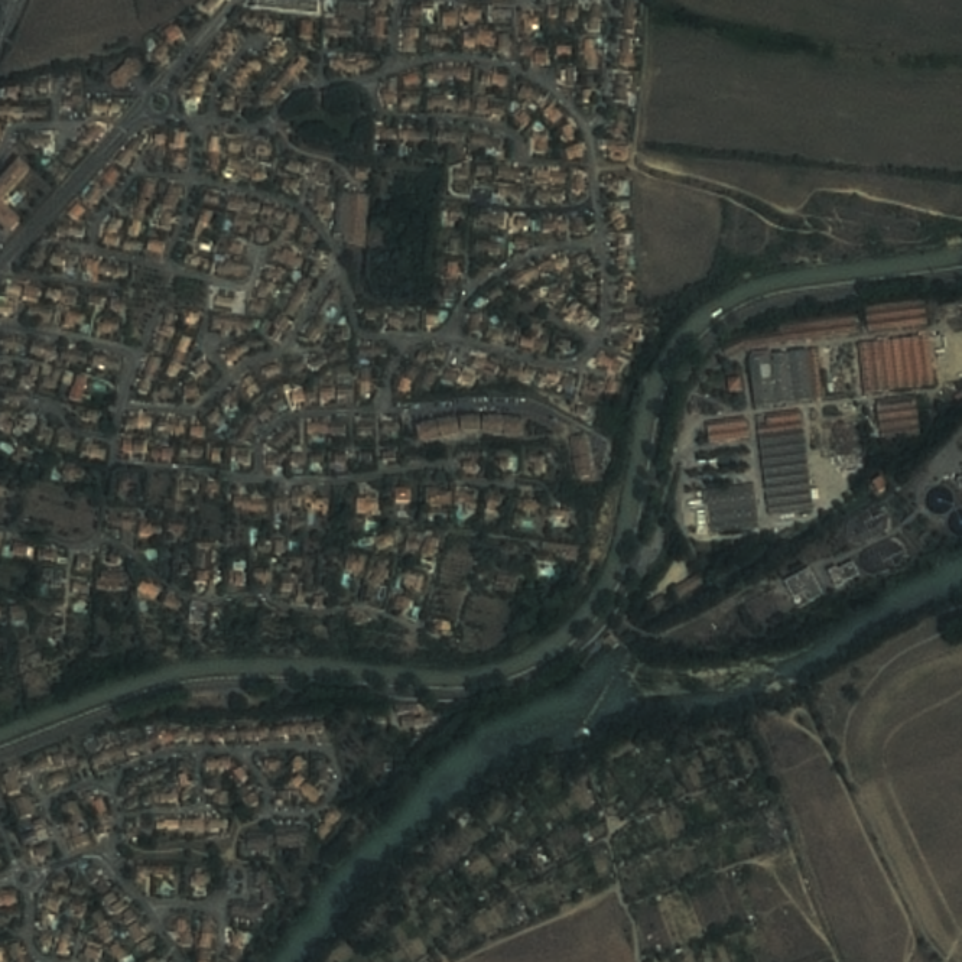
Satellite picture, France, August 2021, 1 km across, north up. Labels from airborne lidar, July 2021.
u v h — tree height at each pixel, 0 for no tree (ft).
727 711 45
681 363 67
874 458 45
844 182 0
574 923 0
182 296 22
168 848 0
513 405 0
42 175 26
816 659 0
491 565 57
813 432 0
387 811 66
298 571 33
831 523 73
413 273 31
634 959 0
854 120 0
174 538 23
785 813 35
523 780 55
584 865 0
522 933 0
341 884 0
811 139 0
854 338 0
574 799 0
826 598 30
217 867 37
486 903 27
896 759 0
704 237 0
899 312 0
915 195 0
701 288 33
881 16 0
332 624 48
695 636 0
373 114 22
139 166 0
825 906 0
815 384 0
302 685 59
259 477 0
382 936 19
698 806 0
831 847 0
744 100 0
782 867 0
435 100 0
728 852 0
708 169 0
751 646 61
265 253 0
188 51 0
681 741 63
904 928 0
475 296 24
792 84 0
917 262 0
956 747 0
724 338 72
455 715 48
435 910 0
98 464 39
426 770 30
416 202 26
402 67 0
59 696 52
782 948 0
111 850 0
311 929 0
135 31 0
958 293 37
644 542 52
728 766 19
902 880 0
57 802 29
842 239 0
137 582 44
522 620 56
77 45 0
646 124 0
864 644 51
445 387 19
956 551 38
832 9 0
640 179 0
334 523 28
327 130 38
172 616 20
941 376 0
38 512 0
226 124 0
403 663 31
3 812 25
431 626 24
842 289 0
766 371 0
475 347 0
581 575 41
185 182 0
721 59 0
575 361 0
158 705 74
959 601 50
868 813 0
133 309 23
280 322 0
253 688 78
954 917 0
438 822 36
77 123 0
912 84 0
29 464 41
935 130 0
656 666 88
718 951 0
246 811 40
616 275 33
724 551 19
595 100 38
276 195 23
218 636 20
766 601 0
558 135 28
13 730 0
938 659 0
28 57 0
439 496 0
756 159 25
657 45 0
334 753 0
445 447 25
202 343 0
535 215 28
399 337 0
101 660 20
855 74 0
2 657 36
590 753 65
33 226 0
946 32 0
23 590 30
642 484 52
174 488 21
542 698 27
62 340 26
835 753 59
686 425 0
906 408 0
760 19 0
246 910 0
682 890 18
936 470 0
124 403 0
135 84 0
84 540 0
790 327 0
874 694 0
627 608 67
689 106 0
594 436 0
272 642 23
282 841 0
